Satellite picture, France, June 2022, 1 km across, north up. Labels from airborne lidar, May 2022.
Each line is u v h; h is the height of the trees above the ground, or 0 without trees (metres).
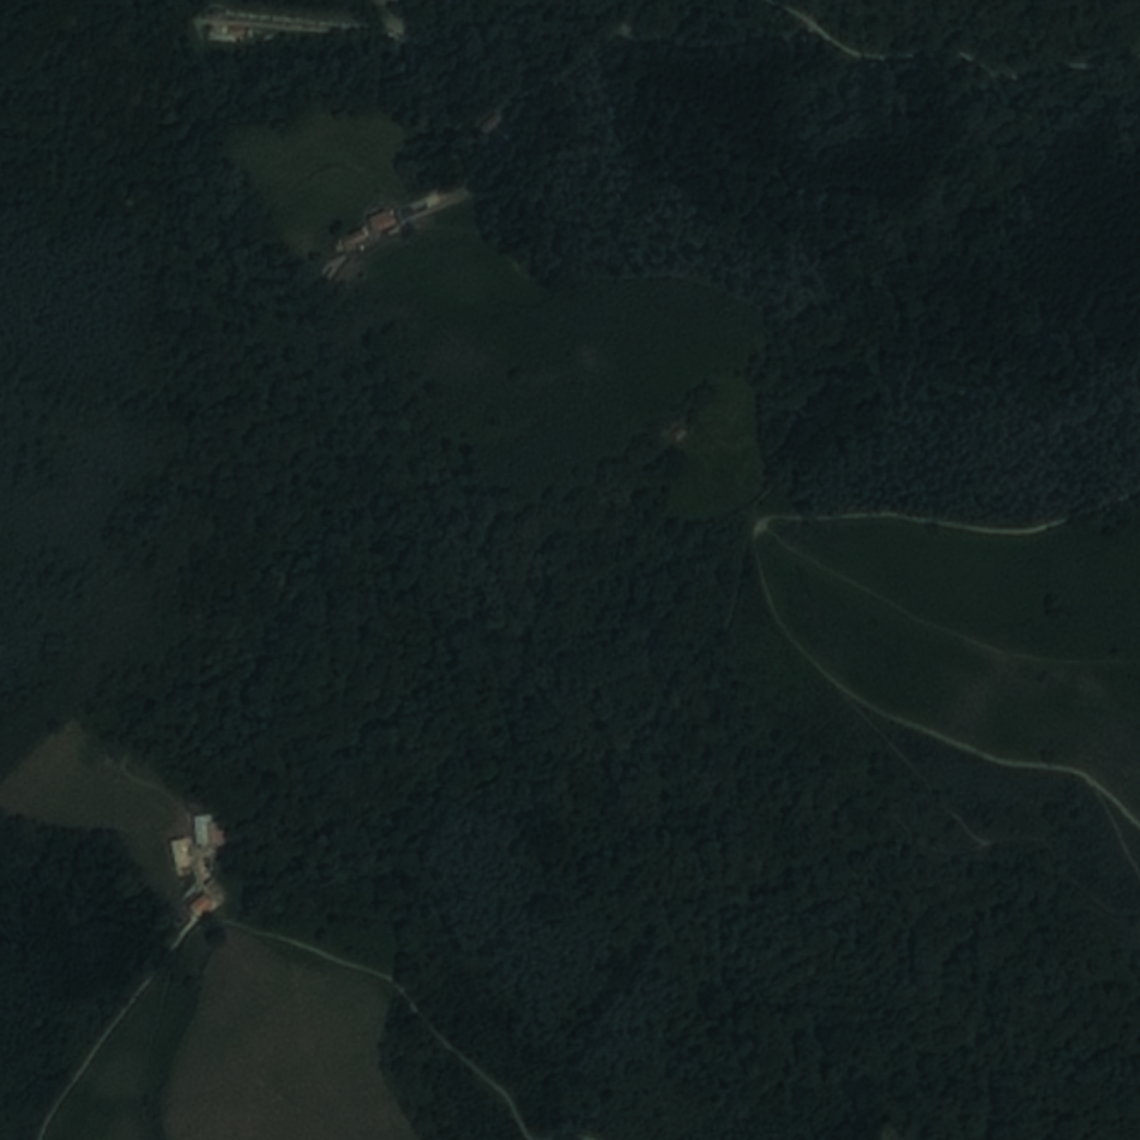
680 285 6
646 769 24
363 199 0
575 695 26
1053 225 29
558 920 18
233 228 21
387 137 0
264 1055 0
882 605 0
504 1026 11
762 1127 14
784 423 21
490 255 0
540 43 22
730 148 24
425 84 24
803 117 15
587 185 21
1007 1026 22
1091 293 25
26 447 13
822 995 14
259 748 17
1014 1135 23
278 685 17
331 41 10
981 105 29
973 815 7
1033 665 0
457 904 25
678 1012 22
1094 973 14
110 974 18
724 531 10
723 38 28
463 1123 7
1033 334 31
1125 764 0
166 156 21
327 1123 0
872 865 20
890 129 28
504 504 18
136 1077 0
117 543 10
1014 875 20
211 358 25
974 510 23
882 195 24
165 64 19
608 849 15
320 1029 0
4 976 29
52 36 16
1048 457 13
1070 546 0
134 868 13
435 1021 10
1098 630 0
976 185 18
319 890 15
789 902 20
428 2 18
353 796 8
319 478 22
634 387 0
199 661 15
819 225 35
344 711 17
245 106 21
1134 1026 14
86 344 28
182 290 26
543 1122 14
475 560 20
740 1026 19
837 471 29
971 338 28
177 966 12
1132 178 29
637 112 31
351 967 0
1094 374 25
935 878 20
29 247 32
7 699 13
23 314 28
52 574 11
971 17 18
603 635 19
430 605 25
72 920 15
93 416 9
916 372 25
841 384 33
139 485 6
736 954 21
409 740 16
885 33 22
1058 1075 23
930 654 0
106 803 0
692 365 0
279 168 0
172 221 6
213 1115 0
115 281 29
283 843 14
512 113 18
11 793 0
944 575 0
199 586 19
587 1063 24
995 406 26
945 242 27
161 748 7
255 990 0
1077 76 27
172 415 12
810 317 20
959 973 15
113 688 16
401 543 22
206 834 0
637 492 7
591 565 14
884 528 0
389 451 19
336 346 7
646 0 7
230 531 14
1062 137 25
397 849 10
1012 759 0
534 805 8
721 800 18
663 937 24
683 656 19
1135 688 0
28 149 15
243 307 27
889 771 15
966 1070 13
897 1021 13
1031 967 11
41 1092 14
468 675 27
